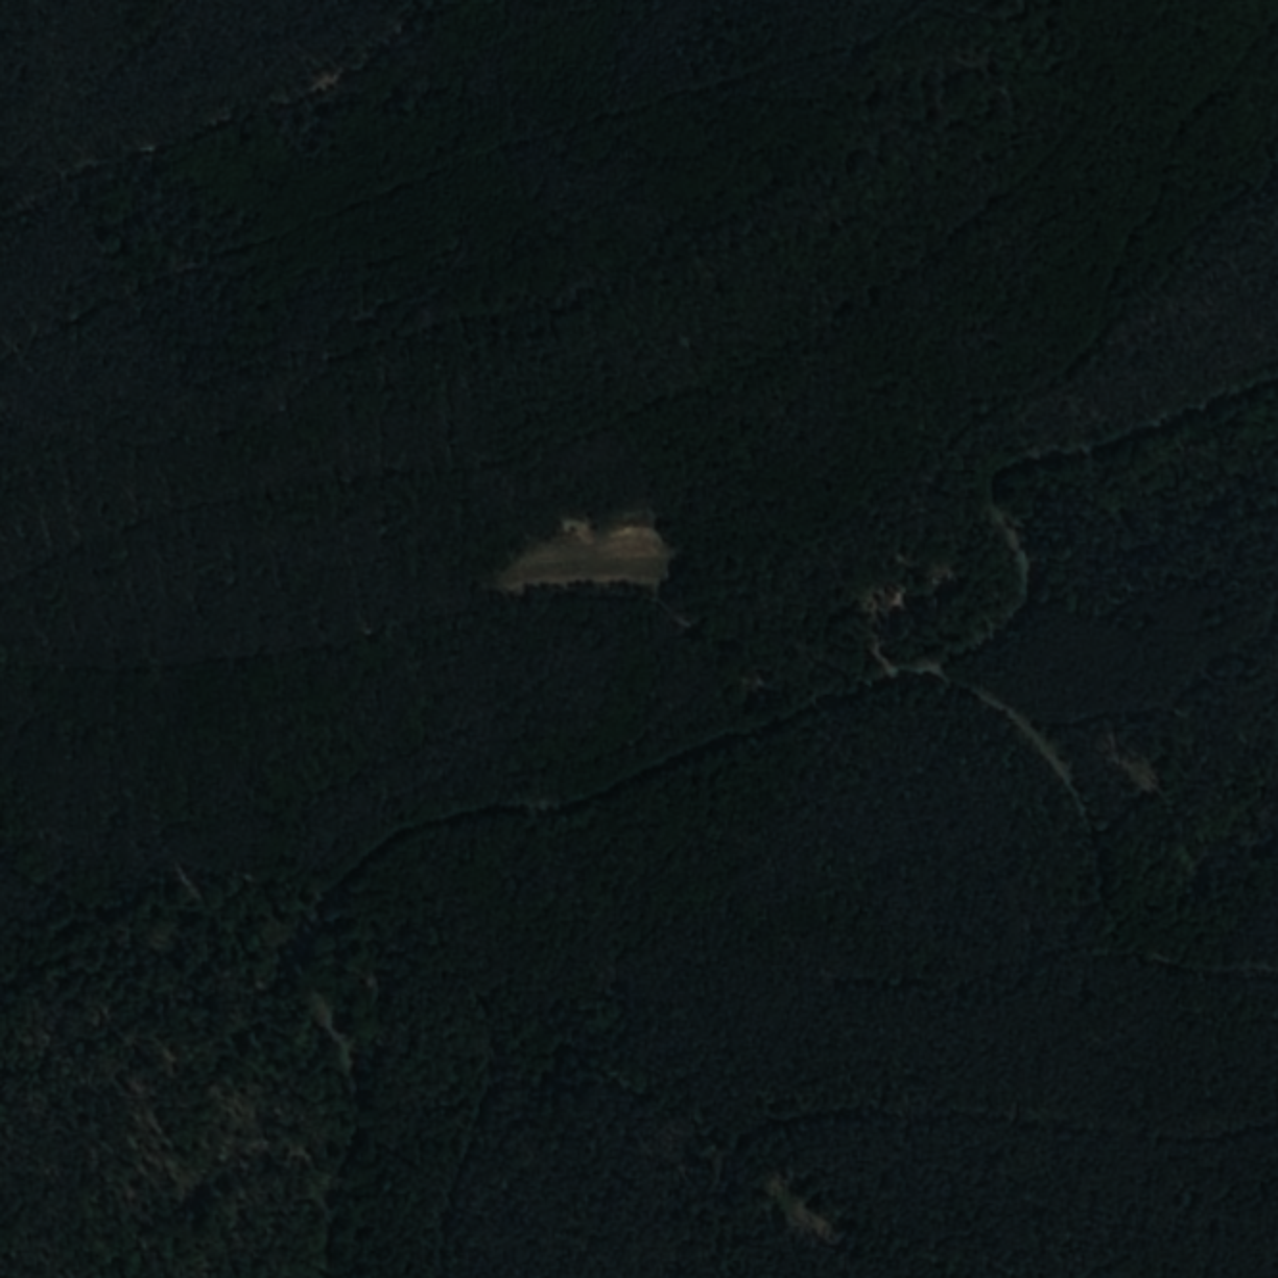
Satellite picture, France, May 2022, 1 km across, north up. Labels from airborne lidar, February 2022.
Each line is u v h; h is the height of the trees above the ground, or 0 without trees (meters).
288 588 15
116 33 24
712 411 22
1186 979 19
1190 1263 23
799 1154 24
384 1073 27
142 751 15
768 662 27
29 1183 30
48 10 25
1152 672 18
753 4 22
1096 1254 23
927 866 21
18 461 15
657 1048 22
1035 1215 22
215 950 26
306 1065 32
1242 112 23
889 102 13
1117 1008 22
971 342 18
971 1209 20
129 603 15
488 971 22
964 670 16
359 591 16
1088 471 22
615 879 26
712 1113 23
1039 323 21
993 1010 23
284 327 13
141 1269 32
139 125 21
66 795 18
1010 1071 20
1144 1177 20
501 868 25
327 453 18
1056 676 15
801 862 22
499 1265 22
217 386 10
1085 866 20
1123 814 19
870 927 19
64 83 22
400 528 17
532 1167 28
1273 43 21
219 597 15
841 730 22
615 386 17
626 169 17
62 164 20
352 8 26
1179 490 28
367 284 13
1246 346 26
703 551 24
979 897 22
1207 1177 24
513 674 17
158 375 18
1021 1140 21
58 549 14
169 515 16
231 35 23
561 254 13
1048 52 17
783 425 23
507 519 18
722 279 20
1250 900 24
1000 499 28
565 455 22
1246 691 25
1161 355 22
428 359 17
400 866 26
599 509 19
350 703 18
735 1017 22
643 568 0
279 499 18
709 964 20
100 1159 29
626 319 19
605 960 20
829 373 22
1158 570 28
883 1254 26
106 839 20
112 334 19
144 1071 32
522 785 23
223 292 10
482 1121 28
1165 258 26
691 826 23
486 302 15
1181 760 22
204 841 22
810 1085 21
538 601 13
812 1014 23
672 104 14
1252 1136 23
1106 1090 20
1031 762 24
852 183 21
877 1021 21
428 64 12
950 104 19
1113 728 20
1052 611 17
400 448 18
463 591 18
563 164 20
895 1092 18
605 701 18
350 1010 33
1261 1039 17
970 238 24
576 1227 25
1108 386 24
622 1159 28
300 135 12
